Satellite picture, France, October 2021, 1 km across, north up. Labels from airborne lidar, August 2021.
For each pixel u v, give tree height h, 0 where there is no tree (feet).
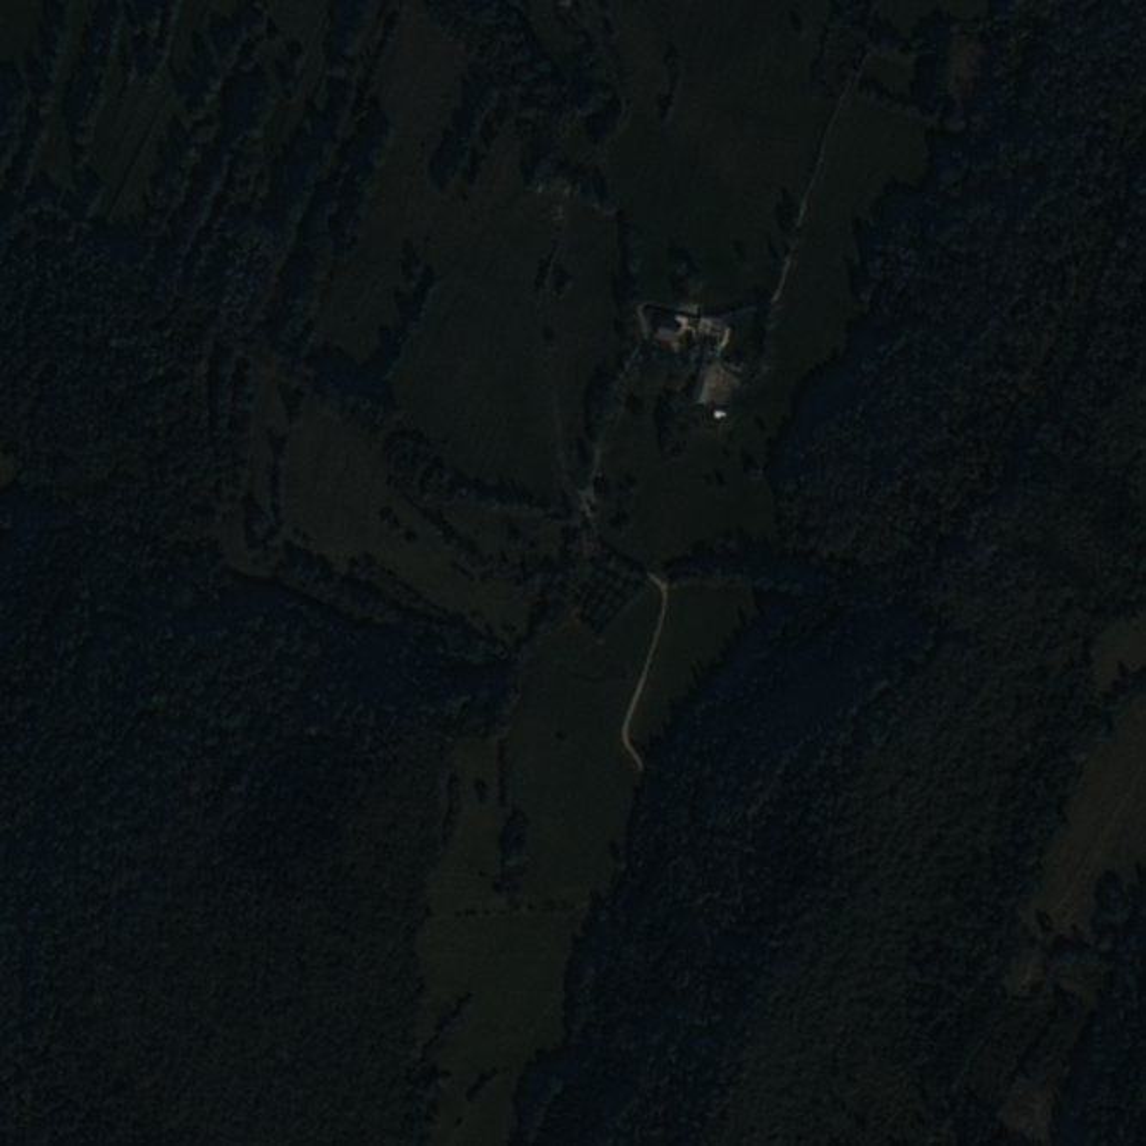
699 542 0
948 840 48
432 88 0
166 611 60
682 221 0
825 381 0
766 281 0
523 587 32
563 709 0
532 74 78
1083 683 35
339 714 60
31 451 36
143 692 70
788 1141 33
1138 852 0
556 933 0
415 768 48
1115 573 48
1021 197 59
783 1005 29
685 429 26
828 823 55
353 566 23
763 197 0
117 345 66
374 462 0
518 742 0
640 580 36
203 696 47
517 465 0
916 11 0
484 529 0
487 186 0
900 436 67
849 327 0
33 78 0
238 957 34
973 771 40
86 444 94
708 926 55
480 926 0
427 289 33
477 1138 0
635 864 27
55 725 57
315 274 58
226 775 35
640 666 0
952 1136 39
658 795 29
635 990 68
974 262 60
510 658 42
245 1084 28
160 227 22
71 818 53
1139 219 43
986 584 22
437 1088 54
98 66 45
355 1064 40
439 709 69
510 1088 0
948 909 57
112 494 61
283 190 0
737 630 0
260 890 48
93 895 55
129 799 67
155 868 37
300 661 42
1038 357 60
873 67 0
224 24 0
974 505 27
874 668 75
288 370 47
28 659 64
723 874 57
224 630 79
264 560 56
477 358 0
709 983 26
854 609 70
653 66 0
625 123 42
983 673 21
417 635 40
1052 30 61
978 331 47
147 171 0
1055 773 66
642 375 38
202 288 63
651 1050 58
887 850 27
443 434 0
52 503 52
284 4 0
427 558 0
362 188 61
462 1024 37
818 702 76
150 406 90
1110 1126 34
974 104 0
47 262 49
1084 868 0
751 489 0
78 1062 76
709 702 69
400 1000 47
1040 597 44
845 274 0
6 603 91
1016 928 68
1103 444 41
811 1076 41
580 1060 65
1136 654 0
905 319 63
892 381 79
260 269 62
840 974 32
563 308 0
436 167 0
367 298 0
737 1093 30
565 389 0
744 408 0
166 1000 28
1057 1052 18
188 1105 47
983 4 0
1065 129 65
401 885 37
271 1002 37
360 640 40
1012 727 48
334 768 67
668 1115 24
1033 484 61
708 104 0
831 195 0
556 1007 0
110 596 51
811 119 0
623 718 0
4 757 63
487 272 0
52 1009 55
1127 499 61
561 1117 60
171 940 48
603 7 39
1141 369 44
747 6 0
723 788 51
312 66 0
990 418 70
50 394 63
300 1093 37
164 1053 49
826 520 75
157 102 0
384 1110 37
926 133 0
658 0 0
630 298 36
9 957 36
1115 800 0
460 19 54
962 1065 69
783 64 0
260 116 69
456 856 0
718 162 0
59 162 0
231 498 26
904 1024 73
